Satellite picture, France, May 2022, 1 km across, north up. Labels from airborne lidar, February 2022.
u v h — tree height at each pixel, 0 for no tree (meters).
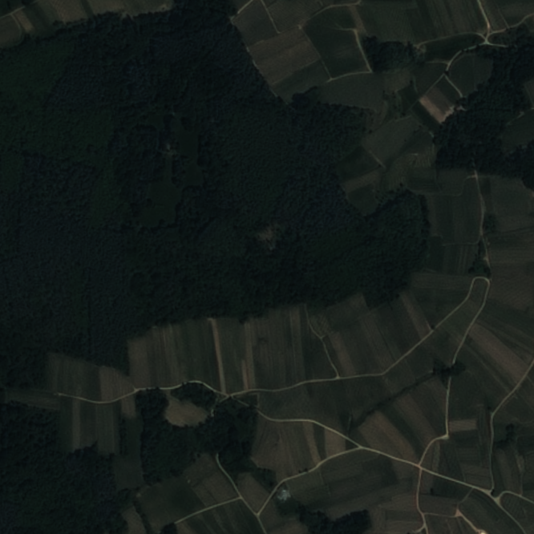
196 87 19
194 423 0
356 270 16
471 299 0
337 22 0
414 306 0
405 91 0
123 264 19
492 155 13
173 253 10
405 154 0
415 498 0
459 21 0
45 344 9
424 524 0
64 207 18
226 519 0
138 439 0
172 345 0
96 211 19
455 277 0
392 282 14
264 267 10
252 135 9
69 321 18
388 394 0
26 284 23
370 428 0
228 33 20
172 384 0
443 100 0
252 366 0
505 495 0
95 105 18
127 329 15
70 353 9
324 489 0
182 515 0
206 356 0
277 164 9
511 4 0
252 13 0
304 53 0
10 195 21
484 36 0
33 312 18
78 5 0
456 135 17
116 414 0
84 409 0
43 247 18
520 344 0
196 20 19
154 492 0
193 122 13
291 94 0
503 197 0
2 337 21
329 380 0
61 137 14
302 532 0
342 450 0
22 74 11
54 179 27
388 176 0
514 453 0
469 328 0
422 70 0
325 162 18
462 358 0
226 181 11
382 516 0
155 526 0
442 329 0
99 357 17
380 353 0
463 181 0
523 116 0
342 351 0
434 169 0
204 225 20
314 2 0
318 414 0
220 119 21
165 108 17
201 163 16
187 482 0
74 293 13
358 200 0
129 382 0
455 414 0
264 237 0
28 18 0
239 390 0
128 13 0
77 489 17
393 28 0
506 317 0
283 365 0
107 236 19
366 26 0
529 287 0
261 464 0
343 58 0
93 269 21
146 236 15
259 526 0
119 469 0
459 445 0
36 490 13
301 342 0
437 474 0
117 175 19
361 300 0
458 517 0
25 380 12
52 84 13
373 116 0
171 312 18
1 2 0
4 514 17
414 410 0
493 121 9
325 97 0
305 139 18
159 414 14
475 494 0
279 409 0
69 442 0
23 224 22
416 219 24
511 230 0
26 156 29
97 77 19
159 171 20
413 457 0
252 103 19
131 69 29
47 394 0
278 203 20
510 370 0
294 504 0
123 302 18
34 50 13
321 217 25
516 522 0
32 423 14
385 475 0
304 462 0
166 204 0
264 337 0
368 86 0
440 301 0
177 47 23
